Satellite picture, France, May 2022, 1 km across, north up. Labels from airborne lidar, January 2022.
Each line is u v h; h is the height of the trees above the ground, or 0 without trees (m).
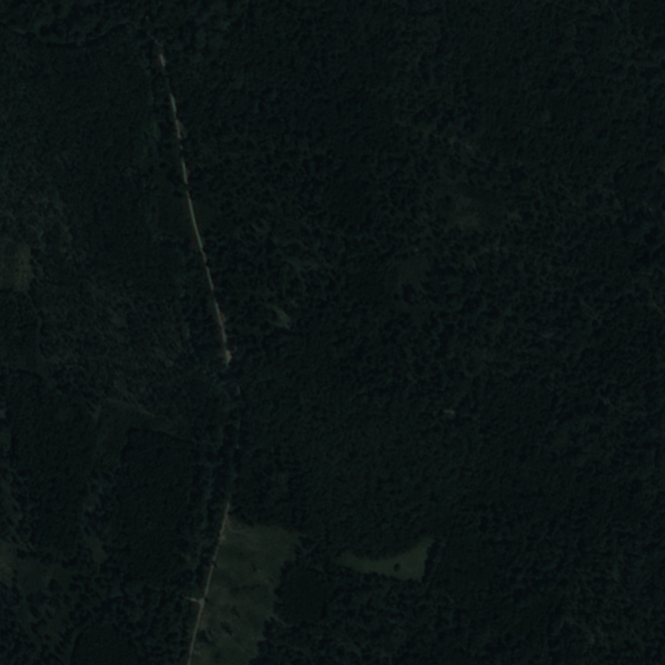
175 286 21
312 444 24
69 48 19
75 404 25
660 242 29
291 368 17
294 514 19
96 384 23
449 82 11
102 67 23
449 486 24
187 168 10
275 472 35
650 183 27
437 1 26
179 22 6
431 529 21
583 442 37
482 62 19
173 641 17
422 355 6
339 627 24
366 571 0
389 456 23
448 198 11
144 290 22
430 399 26
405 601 15
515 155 21
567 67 27
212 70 22
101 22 23
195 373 25
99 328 23
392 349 9
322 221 27
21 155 24
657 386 32
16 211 25
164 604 28
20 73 21
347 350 22
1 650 15
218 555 0
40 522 21
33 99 26
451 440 23
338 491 24
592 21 21
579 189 20
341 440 24
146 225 18
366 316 26
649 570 15
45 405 25
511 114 19
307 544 23
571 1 19
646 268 30
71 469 20
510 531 26
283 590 6
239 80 29
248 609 0
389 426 24
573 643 26
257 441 22
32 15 35
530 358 15
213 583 0
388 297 6
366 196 5
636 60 16
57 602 23
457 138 33
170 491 19
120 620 16
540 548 23
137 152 20
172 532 20
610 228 20
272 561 0
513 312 25
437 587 16
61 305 24
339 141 21
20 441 18
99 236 22
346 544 22
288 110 22
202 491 33
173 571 15
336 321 22
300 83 22
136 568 19
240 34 23
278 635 8
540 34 12
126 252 22
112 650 16
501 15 20
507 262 17
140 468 19
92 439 18
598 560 27
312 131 22
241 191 10
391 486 19
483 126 20
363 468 19
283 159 9
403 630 19
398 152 20
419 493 22
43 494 21
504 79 20
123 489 20
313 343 21
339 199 8
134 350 21
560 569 15
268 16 21
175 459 19
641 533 29
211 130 17
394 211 12
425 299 24
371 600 10
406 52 23
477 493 20
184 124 24
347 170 21
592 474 22
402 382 29
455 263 19
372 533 22
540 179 13
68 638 15
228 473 35
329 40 16
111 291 21
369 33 22
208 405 21
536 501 22
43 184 24
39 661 6
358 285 10
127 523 20
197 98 24
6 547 0
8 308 10
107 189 22
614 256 24
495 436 22
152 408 20
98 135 22
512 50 9
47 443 20
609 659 17
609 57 25
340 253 19
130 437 14
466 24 21
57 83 23
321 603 7
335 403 23
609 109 25
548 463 24
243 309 16
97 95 21
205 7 33
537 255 13
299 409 20
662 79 21
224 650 0
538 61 10
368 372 15
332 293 23
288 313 20
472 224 0
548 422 26
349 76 20
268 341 20
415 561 0
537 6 13
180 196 18
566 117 13
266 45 21
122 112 22
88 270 21
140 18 20
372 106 20
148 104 18
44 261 22
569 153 13
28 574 0
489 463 22
